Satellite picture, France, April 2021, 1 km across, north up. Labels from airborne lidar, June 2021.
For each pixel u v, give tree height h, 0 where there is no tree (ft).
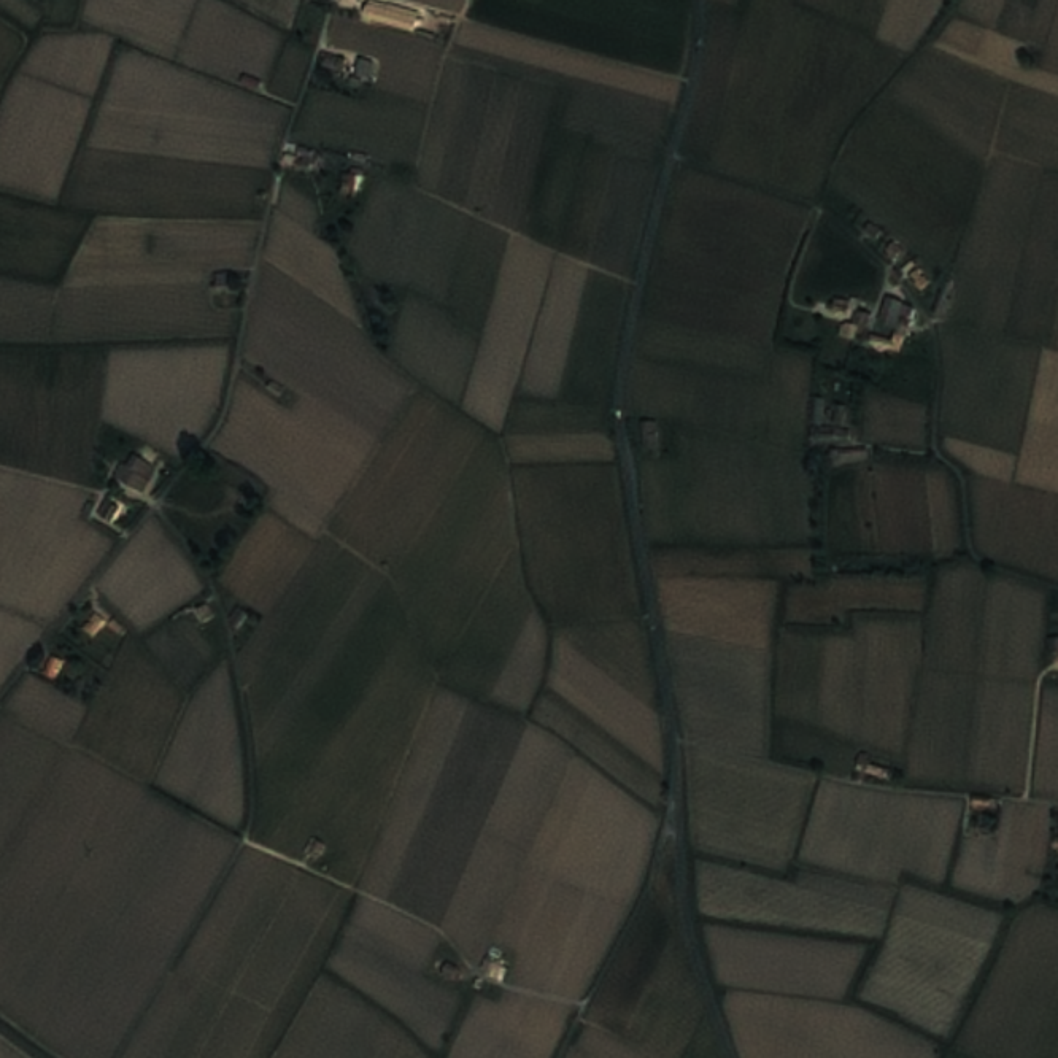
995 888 0
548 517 0
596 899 0
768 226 0
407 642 0
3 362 0
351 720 0
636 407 0
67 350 0
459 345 0
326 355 0
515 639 0
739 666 0
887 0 0
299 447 0
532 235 0
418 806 0
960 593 0
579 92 0
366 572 0
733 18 0
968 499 0
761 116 0
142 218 0
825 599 0
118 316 0
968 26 0
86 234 0
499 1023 0
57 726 0
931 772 0
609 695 0
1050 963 0
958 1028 0
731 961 0
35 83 0
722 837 0
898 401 0
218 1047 0
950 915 0
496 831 0
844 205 0
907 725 0
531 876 0
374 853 0
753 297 0
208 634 0
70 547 0
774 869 0
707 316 0
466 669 0
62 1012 0
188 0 0
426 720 0
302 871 0
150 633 0
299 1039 0
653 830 0
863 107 0
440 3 0
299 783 0
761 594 0
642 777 0
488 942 0
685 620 0
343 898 0
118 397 0
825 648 0
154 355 0
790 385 0
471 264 0
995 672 0
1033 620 0
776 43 0
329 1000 0
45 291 0
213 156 0
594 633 0
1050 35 0
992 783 0
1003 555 0
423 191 0
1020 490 0
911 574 34
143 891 0
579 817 0
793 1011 0
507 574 0
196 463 87
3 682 0
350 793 0
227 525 0
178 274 0
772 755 0
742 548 0
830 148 0
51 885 0
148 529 0
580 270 0
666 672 0
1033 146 0
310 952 0
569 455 0
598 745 0
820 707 0
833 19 0
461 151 0
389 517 0
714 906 0
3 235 0
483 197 0
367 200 0
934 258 0
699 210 0
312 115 0
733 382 0
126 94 0
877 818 0
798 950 0
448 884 0
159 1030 0
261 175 0
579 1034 0
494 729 0
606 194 0
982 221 0
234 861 0
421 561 0
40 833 0
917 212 0
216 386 0
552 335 0
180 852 0
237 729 0
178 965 0
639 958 0
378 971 0
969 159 0
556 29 0
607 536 0
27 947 0
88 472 0
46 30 0
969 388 0
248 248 0
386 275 0
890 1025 0
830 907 0
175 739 0
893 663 0
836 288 0
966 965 0
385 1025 0
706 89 0
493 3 0
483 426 0
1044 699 0
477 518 0
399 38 0
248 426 0
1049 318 0
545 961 0
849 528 0
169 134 0
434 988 0
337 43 0
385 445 0
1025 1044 0
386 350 0
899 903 0
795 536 0
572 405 0
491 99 0
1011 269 0
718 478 0
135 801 0
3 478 0
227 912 0
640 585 0
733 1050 0
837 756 0
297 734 0
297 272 0
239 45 0
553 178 0
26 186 0
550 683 0
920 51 0
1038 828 0
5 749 0
